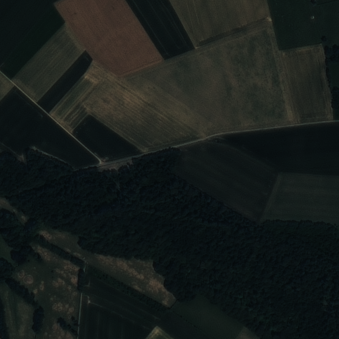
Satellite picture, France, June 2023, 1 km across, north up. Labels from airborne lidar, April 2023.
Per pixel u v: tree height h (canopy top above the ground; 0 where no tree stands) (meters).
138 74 0
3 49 0
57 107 0
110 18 0
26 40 0
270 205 0
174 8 0
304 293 22
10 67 0
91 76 0
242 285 22
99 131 0
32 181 26
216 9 0
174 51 0
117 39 0
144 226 23
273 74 0
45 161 25
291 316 21
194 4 0
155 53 0
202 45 0
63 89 0
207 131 0
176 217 24
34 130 0
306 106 0
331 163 0
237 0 0
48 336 0
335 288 27
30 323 0
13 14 0
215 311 0
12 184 22
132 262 0
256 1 0
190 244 22
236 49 0
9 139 0
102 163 0
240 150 0
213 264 23
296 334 23
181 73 0
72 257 16
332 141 0
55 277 0
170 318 0
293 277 23
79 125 0
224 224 29
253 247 28
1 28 0
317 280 24
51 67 0
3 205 0
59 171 25
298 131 0
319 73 0
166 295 0
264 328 25
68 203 22
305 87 0
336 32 0
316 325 21
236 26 0
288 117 0
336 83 0
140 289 0
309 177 0
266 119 0
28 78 0
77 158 0
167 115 0
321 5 0
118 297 0
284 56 0
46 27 0
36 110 0
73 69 0
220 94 0
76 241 0
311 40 0
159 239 23
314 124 0
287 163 0
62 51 0
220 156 0
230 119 0
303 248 19
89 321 0
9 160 23
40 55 0
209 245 22
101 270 0
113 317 0
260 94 0
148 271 0
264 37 0
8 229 32
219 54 0
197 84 0
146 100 0
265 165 0
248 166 0
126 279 0
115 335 0
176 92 0
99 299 0
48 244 19
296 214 0
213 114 0
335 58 16
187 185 23
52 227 20
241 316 22
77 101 0
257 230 21
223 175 0
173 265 27
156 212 23
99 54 0
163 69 0
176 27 0
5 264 25
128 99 0
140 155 0
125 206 26
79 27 0
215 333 0
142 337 0
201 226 23
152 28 0
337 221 0
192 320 0
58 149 0
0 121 0
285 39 0
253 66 0
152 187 18
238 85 0
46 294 0
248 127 0
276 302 21
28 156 14
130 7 0
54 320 0
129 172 27
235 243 22
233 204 0
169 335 0
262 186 0
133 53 0
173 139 0
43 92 0
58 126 0
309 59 0
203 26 0
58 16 0
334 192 0
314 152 0
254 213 0
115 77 0
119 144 0
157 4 0
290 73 0
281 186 0
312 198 0
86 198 14
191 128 0
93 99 0
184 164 0
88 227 17
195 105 0
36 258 16
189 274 21
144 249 22
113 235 22
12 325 0
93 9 0
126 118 0
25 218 0
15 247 19
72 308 0
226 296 26
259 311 25
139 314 0
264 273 26
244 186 0
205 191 0
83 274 17
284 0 0
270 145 0
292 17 0
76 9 0
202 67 0
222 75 0
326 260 16
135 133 0
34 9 0
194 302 0
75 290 0
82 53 0
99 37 0
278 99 0
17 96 0
